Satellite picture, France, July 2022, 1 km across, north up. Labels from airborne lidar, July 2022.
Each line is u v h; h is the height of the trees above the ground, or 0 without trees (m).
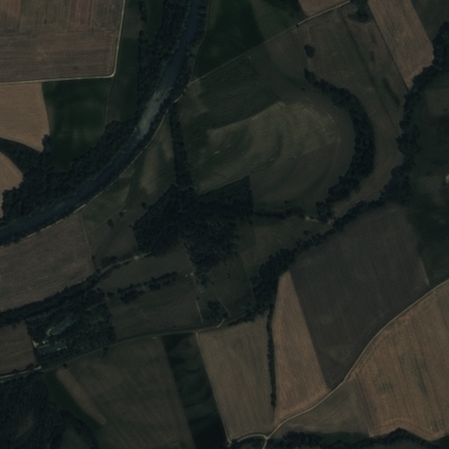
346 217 11
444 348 0
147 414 0
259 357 0
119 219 0
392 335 0
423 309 0
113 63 0
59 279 0
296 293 0
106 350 14
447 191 0
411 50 0
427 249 0
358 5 10
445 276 0
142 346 0
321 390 0
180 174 16
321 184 0
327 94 20
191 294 0
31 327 9
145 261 0
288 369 0
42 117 0
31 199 20
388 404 0
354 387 0
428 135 0
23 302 0
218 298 0
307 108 0
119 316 0
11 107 0
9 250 0
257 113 0
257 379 0
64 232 0
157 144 0
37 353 10
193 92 0
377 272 0
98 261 0
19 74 0
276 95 0
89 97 0
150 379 0
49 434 22
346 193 30
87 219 0
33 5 0
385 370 0
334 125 0
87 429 26
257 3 0
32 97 0
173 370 0
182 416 0
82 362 0
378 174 0
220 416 0
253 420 0
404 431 13
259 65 0
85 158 16
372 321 0
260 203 0
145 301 0
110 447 0
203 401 0
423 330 0
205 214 32
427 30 0
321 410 0
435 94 0
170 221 8
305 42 0
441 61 22
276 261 30
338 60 0
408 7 0
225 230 17
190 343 0
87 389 0
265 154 0
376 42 0
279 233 0
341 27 0
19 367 0
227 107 0
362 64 0
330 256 0
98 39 0
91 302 12
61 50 0
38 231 14
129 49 0
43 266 0
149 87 13
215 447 0
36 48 0
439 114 0
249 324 0
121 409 0
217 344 0
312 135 0
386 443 17
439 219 0
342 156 0
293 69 0
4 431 28
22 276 0
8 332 0
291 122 0
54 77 0
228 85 0
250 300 0
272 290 16
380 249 0
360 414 0
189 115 0
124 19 0
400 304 0
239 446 20
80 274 0
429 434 0
